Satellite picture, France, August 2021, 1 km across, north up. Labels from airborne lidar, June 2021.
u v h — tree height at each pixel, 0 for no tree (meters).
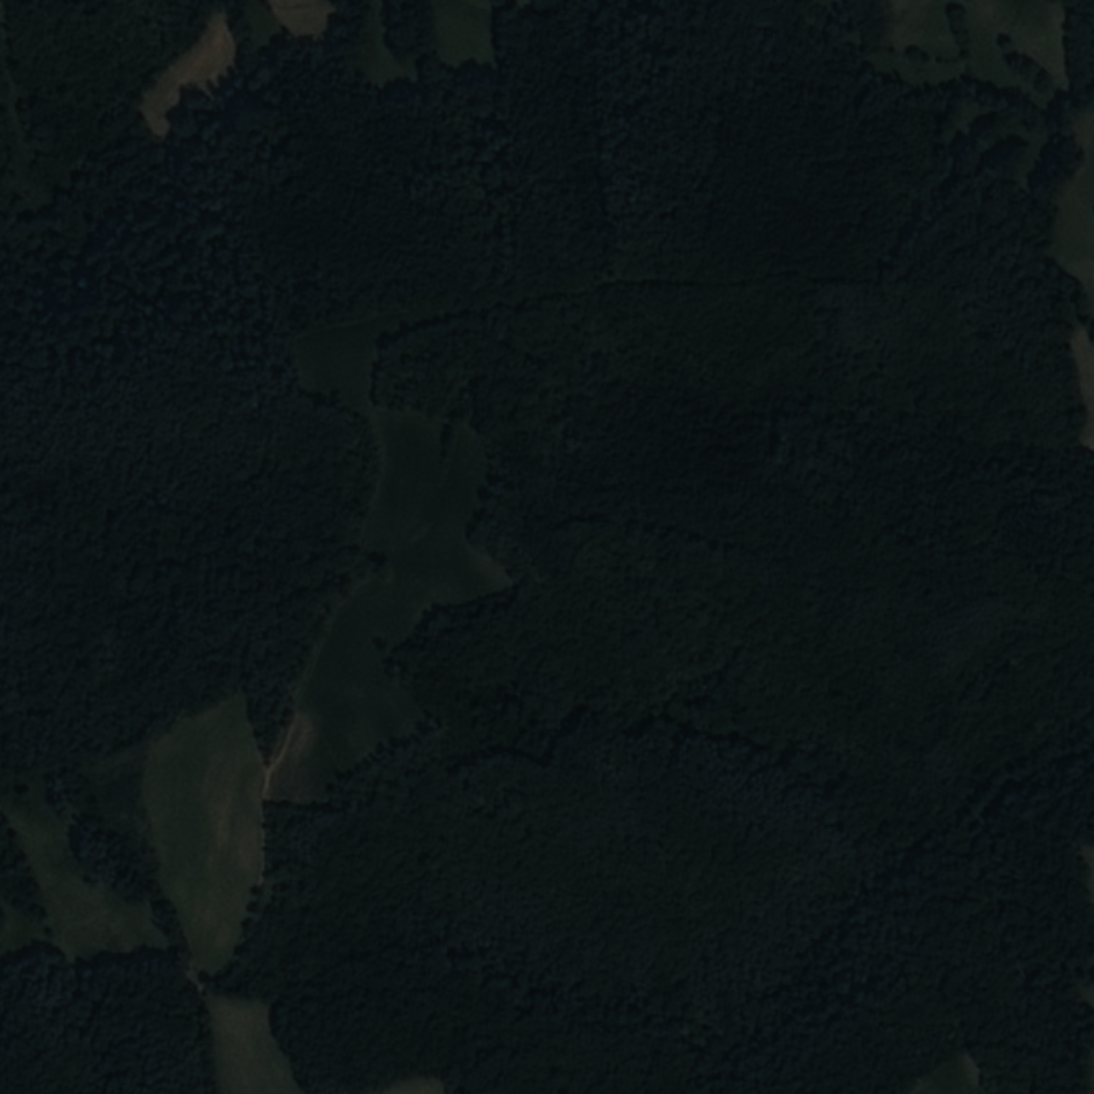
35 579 24
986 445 19
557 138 14
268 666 19
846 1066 25
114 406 28
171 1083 25
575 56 13
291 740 0
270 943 16
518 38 15
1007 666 14
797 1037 26
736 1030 25
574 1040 22
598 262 15
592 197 10
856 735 17
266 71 32
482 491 0
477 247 19
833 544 19
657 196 25
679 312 10
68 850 0
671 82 29
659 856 25
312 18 0
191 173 27
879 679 16
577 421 14
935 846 23
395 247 14
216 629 22
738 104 21
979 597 17
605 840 23
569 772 24
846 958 28
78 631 22
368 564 20
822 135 18
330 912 20
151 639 16
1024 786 21
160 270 24
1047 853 19
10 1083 21
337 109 18
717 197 15
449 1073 18
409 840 21
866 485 20
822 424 32
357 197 15
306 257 17
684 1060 20
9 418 26
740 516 14
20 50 20
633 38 32
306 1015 27
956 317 24
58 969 19
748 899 25
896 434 16
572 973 24
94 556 29
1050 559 19
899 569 15
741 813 19
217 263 15
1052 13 0
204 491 27
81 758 21
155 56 19
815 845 22
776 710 26
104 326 29
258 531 24
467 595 0
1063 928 23
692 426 16
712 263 15
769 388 13
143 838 0
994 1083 9
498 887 19
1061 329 24
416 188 25
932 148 13
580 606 20
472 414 16
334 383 0
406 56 21
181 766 0
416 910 25
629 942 21
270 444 25
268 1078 0
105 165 16
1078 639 15
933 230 30
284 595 24
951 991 20
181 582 27
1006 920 22
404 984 21
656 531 18
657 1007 29
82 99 20
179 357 26
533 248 15
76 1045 23
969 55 11
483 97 27
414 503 0
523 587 17
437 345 18
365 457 9
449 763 7
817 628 17
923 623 16
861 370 20
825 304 9
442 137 17
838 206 16
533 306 17
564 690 31
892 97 20
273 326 16
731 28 21
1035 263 23
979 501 21
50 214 11
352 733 0
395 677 14
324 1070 22
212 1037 17
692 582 23
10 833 10
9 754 35
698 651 13
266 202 19
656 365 11
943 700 14
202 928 0
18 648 24
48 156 10
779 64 17
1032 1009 23
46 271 24
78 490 29
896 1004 21
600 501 11
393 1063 20
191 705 20
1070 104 24
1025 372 18
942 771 25
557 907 23
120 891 24
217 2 27
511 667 30
